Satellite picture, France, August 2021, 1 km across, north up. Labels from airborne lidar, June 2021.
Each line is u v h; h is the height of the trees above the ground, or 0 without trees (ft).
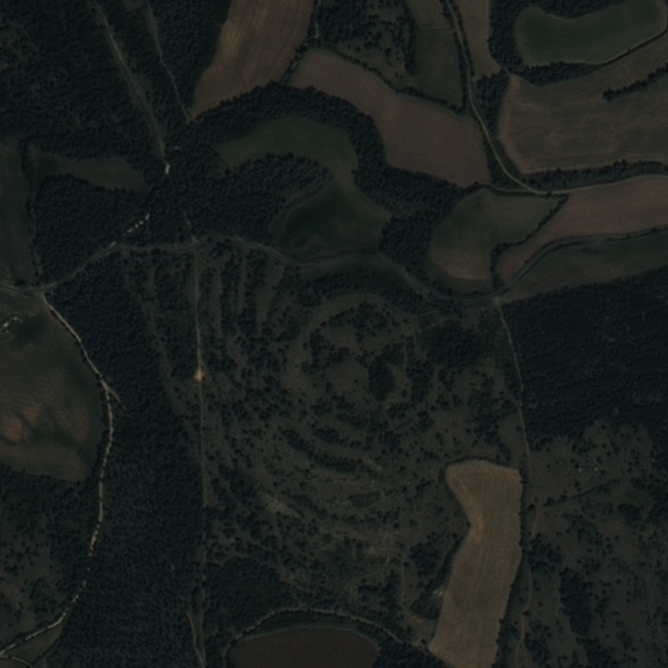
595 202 0
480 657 0
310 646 0
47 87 31
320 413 23
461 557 0
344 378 0
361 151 32
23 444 0
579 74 21
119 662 33
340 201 0
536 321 29
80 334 39
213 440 0
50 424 0
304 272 0
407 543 0
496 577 0
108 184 0
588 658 25
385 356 19
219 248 35
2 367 0
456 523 0
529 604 0
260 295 0
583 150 0
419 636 0
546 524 0
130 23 30
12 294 0
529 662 0
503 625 31
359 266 0
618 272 0
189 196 40
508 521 0
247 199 54
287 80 0
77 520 26
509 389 24
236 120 31
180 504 53
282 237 0
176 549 46
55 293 29
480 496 0
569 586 43
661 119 0
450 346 21
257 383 0
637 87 31
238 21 0
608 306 20
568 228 0
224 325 31
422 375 28
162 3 43
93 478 31
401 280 0
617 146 0
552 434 22
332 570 0
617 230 0
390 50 21
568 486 0
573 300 32
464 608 0
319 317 0
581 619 41
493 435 34
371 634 22
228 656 23
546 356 29
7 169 0
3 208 0
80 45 21
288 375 0
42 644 0
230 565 24
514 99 0
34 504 30
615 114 0
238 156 0
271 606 24
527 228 0
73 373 0
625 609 0
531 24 0
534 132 0
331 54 0
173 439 48
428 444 0
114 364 42
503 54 37
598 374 19
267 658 0
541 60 0
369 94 0
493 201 0
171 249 0
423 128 0
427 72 0
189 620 24
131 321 59
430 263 0
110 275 44
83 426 0
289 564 31
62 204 43
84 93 35
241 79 0
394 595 28
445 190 39
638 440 21
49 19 27
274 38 0
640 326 24
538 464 0
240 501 27
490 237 0
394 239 42
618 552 0
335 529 0
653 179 0
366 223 0
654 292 26
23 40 24
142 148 34
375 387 22
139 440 43
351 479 0
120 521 25
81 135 26
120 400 26
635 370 25
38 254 31
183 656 36
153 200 32
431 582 22
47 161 0
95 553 29
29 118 31
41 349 0
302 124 0
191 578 43
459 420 0
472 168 0
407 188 45
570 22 0
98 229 49
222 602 29
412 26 29
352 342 0
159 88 33
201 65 48
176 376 35
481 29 0
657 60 0
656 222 0
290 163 36
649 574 0
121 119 19
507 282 0
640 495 0
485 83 43
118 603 27
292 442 26
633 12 0
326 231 0
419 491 33
